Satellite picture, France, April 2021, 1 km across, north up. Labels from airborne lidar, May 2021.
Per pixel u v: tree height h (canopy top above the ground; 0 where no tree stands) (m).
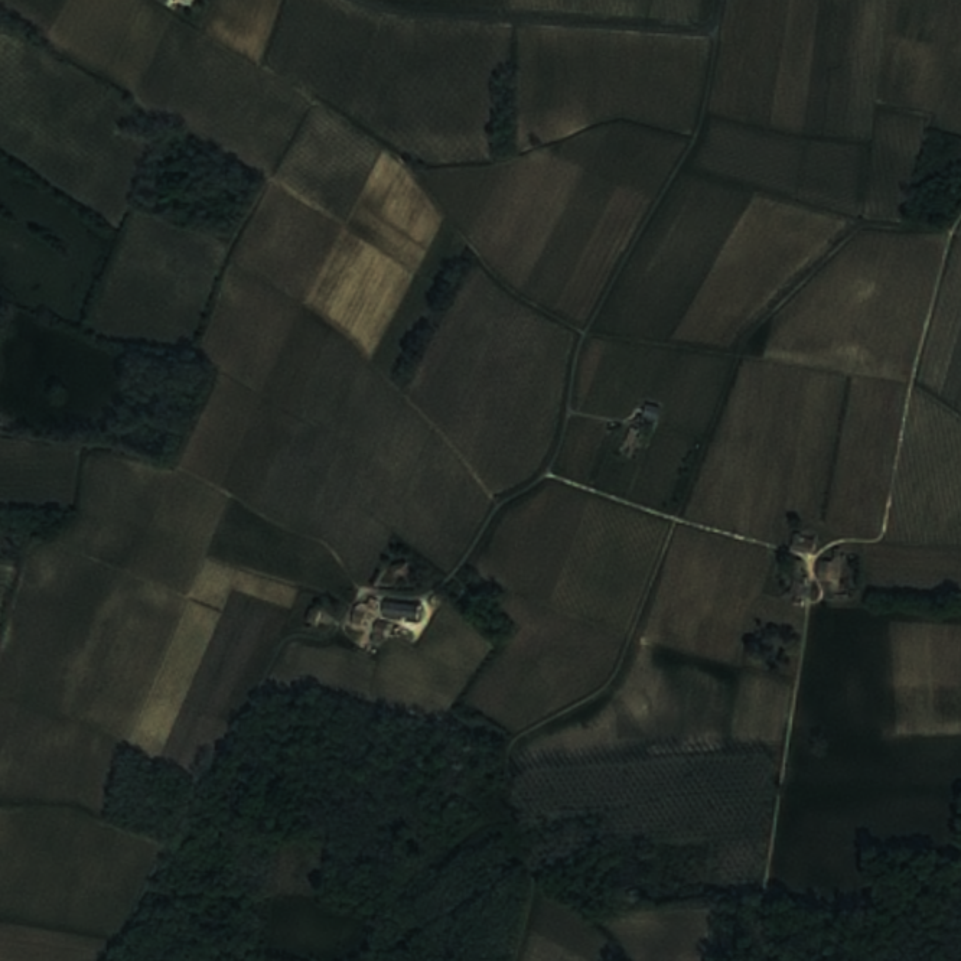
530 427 0
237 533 0
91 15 0
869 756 0
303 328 0
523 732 0
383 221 0
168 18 0
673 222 0
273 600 0
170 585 0
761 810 33
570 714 0
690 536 0
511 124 18
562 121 0
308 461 0
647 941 0
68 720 0
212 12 0
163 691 0
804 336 0
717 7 0
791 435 0
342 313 0
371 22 0
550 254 0
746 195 0
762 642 11
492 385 0
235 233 7
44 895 0
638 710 0
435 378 0
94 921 0
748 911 24
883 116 0
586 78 0
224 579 0
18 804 0
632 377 0
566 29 0
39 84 0
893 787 0
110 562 0
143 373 26
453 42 0
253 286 0
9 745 0
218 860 11
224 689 0
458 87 0
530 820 30
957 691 0
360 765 17
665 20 0
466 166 0
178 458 15
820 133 0
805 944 27
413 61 0
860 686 0
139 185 12
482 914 18
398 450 0
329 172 0
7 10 14
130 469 0
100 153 0
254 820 25
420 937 18
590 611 0
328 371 0
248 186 19
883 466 0
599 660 0
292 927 0
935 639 0
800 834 0
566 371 0
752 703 0
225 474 0
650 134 0
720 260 0
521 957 0
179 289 0
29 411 0
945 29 0
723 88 0
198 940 16
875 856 28
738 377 0
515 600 0
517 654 0
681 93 0
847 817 0
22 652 0
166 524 0
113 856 0
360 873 22
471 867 16
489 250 0
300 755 23
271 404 0
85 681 0
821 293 0
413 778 23
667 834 30
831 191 0
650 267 0
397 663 0
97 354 0
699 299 0
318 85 0
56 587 0
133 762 19
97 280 12
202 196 24
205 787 20
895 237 0
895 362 0
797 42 0
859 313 0
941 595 14
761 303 0
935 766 0
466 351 0
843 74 0
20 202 0
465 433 0
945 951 16
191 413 14
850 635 0
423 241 0
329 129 0
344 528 0
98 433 20
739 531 0
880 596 14
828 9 0
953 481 0
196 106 0
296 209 0
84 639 0
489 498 0
